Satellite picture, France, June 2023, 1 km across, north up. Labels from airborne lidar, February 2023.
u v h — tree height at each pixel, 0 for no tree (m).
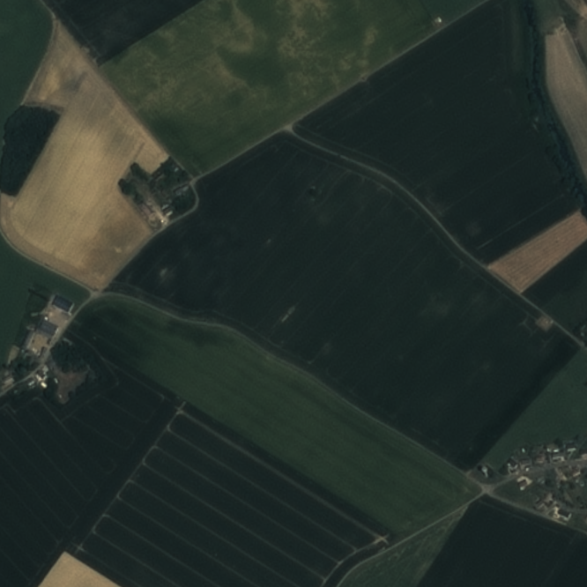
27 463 0
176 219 0
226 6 0
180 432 0
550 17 0
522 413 0
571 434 0
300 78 0
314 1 0
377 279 0
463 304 0
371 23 0
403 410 0
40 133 14
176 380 0
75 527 0
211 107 0
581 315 0
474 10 0
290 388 0
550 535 0
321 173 0
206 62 0
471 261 0
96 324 0
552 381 0
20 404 0
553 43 0
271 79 0
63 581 0
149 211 0
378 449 0
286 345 0
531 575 0
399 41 0
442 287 0
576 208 0
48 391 15
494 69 0
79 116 0
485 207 0
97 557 0
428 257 0
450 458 0
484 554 0
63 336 0
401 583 0
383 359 0
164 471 0
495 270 0
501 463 0
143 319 0
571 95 0
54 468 0
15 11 0
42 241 0
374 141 0
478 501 0
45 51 0
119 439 0
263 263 0
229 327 0
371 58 0
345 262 0
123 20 0
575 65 0
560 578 0
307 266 0
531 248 0
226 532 0
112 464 0
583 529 0
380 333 0
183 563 0
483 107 0
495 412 0
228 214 0
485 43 0
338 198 0
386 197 0
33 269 0
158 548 0
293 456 0
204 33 0
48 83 0
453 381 0
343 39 0
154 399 0
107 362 0
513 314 0
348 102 0
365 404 0
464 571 0
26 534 0
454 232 0
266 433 0
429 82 0
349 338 0
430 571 0
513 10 0
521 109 0
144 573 0
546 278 0
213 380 0
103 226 0
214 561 0
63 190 0
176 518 0
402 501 0
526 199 0
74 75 0
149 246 0
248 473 0
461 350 0
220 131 0
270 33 0
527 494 0
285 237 0
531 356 0
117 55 0
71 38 0
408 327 0
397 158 0
